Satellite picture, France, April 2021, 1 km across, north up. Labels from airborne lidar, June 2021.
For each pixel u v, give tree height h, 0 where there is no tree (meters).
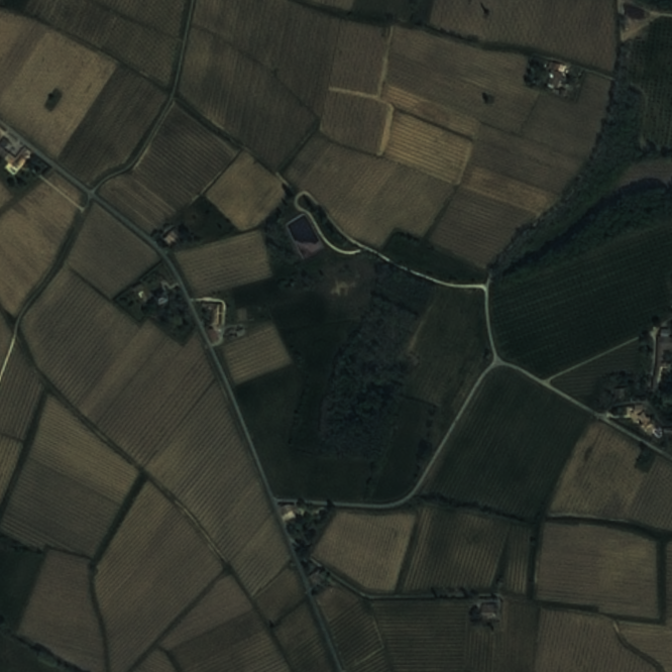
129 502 0
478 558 0
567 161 0
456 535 0
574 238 19
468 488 0
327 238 0
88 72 0
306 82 0
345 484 0
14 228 0
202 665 0
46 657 21
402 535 0
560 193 0
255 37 0
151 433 0
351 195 0
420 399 0
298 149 0
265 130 0
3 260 0
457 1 0
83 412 0
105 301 0
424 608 0
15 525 0
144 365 0
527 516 0
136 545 0
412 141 0
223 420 0
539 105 0
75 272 0
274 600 0
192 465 0
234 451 0
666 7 15
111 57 0
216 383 0
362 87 0
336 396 12
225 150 0
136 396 0
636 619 0
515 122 0
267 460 0
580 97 0
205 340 0
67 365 0
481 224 0
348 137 0
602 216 22
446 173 0
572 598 0
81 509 0
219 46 0
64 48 0
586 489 0
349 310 0
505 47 0
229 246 0
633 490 0
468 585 0
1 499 0
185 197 0
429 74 0
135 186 0
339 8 0
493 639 0
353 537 0
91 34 0
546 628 0
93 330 0
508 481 0
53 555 0
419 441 0
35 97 0
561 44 0
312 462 0
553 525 0
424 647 0
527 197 0
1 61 0
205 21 0
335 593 0
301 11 0
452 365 0
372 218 0
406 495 0
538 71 6
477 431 0
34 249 0
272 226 16
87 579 0
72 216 0
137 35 0
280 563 0
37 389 0
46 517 0
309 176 0
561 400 0
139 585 0
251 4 0
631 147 20
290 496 0
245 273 0
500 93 0
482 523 0
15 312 0
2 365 0
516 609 0
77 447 0
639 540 0
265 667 0
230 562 0
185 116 0
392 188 0
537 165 0
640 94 19
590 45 0
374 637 0
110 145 0
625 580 0
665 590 0
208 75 0
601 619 0
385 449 22
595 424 0
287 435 0
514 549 0
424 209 0
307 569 12
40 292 0
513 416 0
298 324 0
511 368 0
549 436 0
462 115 0
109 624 0
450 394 0
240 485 0
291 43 0
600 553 0
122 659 0
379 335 15
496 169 0
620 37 0
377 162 0
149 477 0
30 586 0
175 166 0
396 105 0
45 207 0
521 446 0
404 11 0
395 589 0
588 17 0
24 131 0
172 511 0
